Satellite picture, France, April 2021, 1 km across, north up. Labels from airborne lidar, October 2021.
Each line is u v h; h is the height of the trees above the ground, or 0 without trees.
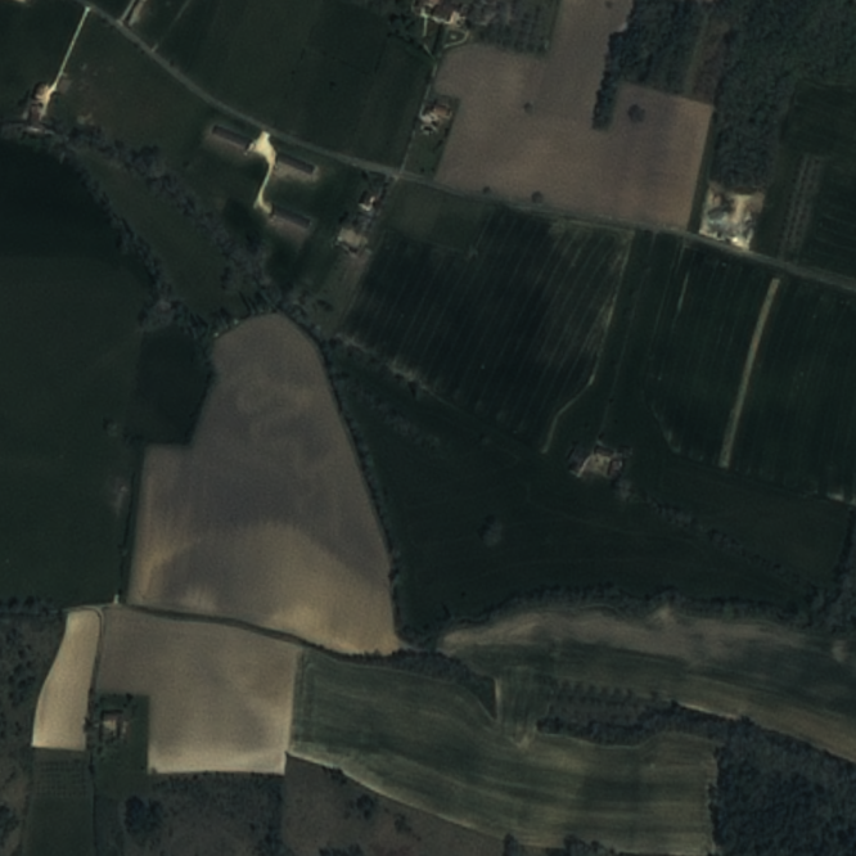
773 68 25
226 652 0
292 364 0
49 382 0
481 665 0
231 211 0
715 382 0
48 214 0
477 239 0
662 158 0
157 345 0
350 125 0
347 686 0
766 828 25
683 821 0
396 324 0
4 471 0
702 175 0
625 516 0
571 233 0
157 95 0
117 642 0
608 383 0
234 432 0
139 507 0
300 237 0
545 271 0
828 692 0
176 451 0
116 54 0
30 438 0
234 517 0
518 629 0
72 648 0
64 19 0
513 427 0
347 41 0
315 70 0
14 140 21
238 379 0
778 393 0
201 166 0
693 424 0
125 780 0
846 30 19
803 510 0
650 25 20
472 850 0
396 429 14
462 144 0
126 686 0
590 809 0
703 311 0
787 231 7
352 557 0
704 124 0
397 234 0
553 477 0
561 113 0
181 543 0
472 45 0
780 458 0
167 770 0
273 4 0
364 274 0
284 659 0
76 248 0
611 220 0
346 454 0
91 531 0
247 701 0
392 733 0
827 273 0
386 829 0
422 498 0
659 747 0
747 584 0
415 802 0
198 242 0
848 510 0
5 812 11
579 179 0
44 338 0
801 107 0
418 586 0
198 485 0
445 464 0
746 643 0
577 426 0
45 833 0
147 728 0
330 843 0
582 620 0
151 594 0
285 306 16
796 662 0
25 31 0
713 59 7
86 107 0
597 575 0
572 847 17
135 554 0
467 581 0
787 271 0
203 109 0
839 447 0
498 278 0
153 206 0
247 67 0
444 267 0
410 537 0
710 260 0
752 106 18
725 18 21
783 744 10
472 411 0
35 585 0
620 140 0
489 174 0
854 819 23
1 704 15
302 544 0
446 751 0
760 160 10
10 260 0
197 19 0
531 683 0
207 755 0
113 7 0
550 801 0
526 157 0
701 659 0
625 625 0
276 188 0
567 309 0
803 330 0
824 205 0
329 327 0
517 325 0
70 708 0
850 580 21
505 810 0
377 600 0
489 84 0
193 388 0
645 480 0
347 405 18
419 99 0
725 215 0
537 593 9
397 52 0
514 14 10
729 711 0
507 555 0
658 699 11
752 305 0
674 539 0
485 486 0
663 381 0
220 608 0
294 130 0
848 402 0
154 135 0
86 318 0
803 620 27
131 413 0
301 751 0
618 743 11
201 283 0
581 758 0
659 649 0
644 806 0
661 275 0
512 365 0
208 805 0
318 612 0
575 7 0
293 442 0
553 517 0
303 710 0
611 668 0
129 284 0
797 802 23
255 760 0
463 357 0
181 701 0
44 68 0
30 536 0
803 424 0
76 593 0
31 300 0
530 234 0
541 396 0
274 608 0
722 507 0
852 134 0
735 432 0
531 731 0
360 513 0
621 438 0
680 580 0
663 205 0
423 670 12
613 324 0
